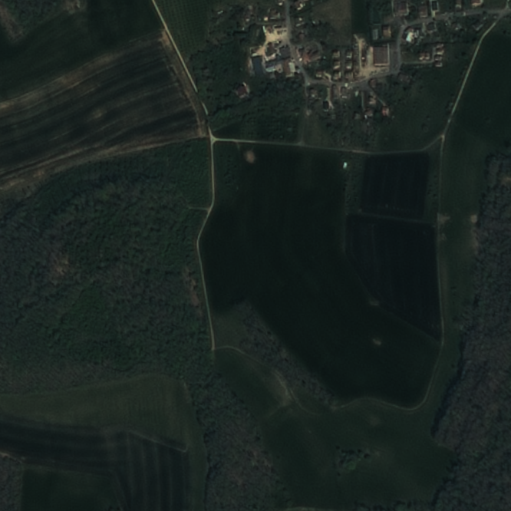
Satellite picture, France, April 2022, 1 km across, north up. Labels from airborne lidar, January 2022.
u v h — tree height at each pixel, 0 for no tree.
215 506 21
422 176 0
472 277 0
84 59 0
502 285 21
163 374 16
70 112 0
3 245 27
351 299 0
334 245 0
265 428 0
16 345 25
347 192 8
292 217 0
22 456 0
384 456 0
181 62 0
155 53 0
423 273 0
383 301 0
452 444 27
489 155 0
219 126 12
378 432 0
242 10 6
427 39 12
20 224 24
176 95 0
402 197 0
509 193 16
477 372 29
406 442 0
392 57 0
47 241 22
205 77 11
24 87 0
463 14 0
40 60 0
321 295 0
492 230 23
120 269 26
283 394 0
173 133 0
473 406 30
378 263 0
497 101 0
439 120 0
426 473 0
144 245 23
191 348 23
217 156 0
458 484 16
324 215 0
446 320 0
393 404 0
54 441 0
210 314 0
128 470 0
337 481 0
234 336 0
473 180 0
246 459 26
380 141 0
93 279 20
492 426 28
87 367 22
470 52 0
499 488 10
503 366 31
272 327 0
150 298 27
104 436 0
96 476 0
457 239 0
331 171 0
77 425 0
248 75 0
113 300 22
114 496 0
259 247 0
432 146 0
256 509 25
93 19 0
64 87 0
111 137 0
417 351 0
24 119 0
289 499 14
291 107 14
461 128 0
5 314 27
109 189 24
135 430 0
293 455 0
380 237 0
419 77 13
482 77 0
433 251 0
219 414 22
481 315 21
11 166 0
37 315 25
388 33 0
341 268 0
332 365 0
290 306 0
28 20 23
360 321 0
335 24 0
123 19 0
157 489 0
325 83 0
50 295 25
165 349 22
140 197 21
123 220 11
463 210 0
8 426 0
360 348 0
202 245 0
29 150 0
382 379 0
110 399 0
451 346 0
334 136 13
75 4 0
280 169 0
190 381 19
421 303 0
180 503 0
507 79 0
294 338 0
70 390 14
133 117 0
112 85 0
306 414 0
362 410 0
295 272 0
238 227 0
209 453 9
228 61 6
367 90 0
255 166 0
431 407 0
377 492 0
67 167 0
